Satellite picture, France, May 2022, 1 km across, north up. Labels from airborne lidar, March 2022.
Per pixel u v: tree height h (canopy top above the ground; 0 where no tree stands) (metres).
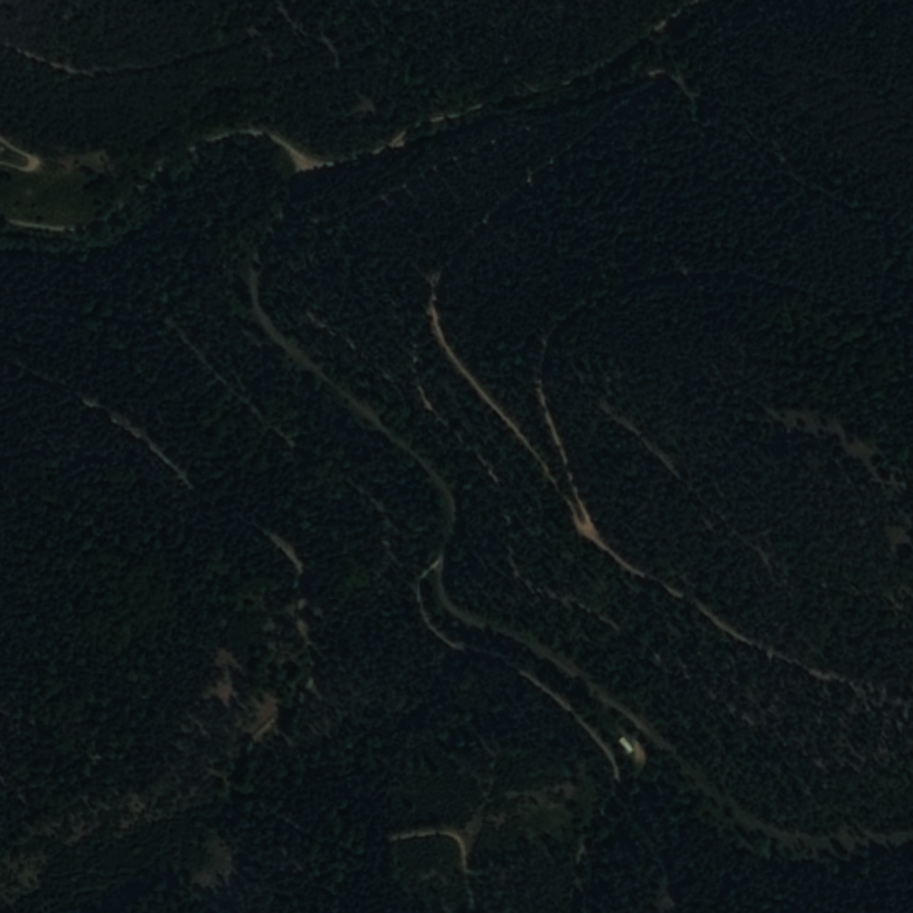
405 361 30
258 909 30
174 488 30
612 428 16
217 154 22
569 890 18
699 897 25
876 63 19
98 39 8
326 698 31
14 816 6
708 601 30
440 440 35
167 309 31
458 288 22
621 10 27
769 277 28
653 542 33
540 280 21
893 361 30
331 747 40
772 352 24
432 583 7
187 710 29
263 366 25
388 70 27
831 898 30
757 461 28
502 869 37
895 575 24
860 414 28
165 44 23
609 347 14
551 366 29
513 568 24
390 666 35
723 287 27
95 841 7
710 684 30
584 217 29
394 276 12
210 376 30
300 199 35
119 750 28
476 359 33
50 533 24
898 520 27
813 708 7
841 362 28
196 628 21
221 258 30
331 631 26
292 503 32
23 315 31
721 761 35
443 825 15
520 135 15
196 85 20
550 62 17
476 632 9
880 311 27
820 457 35
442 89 16
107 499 35
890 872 32
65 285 33
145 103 18
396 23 24
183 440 25
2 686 24
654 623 35
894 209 32
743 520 23
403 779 36
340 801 31
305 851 34
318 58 18
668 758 10
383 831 33
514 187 19
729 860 33
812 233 26
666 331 25
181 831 7
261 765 40
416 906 7
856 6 27
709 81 26
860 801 31
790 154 30
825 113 19
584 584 36
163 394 24
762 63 18
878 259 25
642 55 24
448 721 37
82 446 34
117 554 33
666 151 23
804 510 26
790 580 26
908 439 25
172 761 35
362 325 27
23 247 20
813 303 15
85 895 8
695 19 16
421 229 25
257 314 0
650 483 29
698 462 27
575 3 23
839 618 22
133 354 27
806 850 15
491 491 28
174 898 40
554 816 0
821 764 23
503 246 10
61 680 30
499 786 7
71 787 28
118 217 19
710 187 32
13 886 6
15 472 31
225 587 30
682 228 28
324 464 16
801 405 18
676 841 13
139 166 18
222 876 0
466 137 19
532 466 15
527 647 11
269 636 10
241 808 26
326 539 32
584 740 17
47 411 30
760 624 18
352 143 17
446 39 26
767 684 34
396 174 19
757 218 31
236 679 34
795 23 24
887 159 17
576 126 20
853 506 28
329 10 11
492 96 18
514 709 36
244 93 22
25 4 16
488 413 12
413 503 30
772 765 34
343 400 7
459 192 16
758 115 27
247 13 23
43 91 17
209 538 34
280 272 29
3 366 25
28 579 29
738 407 29
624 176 27
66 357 32
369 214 17
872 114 19
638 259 31
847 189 32
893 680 17
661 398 24
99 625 27
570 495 20
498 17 28
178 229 20
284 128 17
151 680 30
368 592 34
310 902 34
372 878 33
